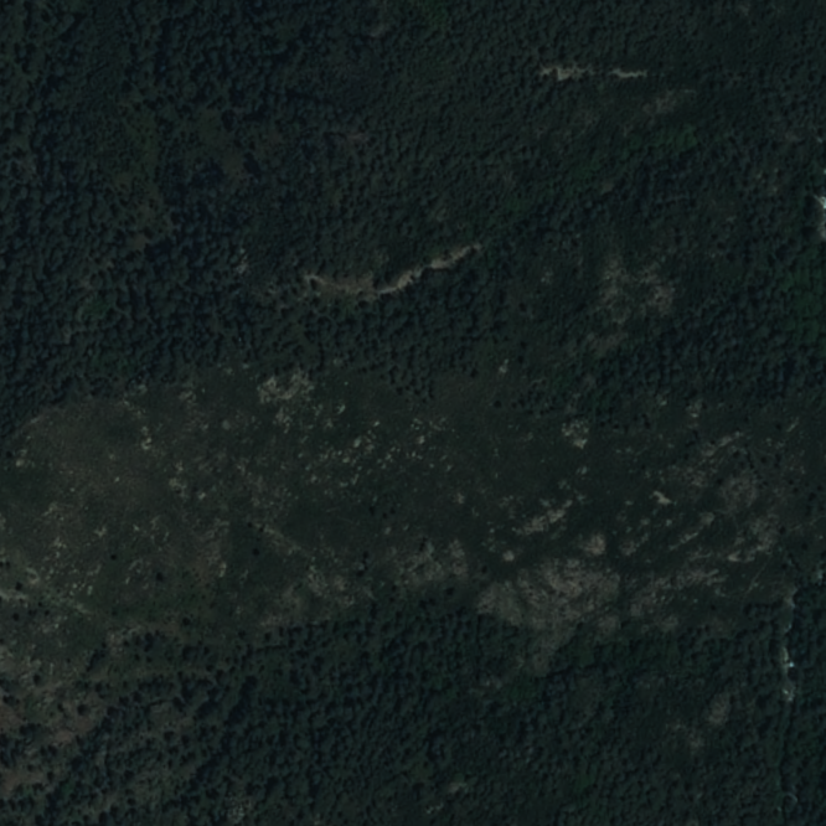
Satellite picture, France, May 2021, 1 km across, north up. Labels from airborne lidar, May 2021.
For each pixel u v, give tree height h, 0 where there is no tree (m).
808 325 21
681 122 6
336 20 35
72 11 11
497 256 8
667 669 7
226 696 36
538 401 19
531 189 25
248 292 10
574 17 25
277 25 36
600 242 8
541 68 20
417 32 19
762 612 27
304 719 32
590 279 8
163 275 29
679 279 27
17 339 15
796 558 30
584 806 18
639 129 13
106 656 30
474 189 20
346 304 10
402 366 24
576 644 12
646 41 18
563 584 0
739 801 28
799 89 25
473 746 11
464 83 19
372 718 16
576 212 26
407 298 8
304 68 7
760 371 12
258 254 9
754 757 26
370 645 33
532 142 7
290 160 9
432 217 30
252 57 18
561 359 7
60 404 21
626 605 6
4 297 43
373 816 21
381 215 25
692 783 6
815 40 18
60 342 13
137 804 27
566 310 8
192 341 21
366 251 18
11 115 19
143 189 11
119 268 13
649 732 9
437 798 11
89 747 19
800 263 21
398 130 10
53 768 9
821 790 17
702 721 12
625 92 13
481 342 35
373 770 24
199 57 25
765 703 25
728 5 15
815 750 17
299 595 0
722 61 18
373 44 23
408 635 30
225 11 37
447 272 20
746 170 23
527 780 17
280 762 28
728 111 14
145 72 31
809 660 25
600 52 24
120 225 22
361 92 10
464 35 21
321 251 24
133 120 13
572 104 6
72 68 36
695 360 6
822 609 10
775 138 22
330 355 23
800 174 15
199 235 32
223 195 35
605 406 10
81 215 32
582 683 13
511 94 21
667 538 5
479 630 24
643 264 7
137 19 22
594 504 6
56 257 32
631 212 8
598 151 25
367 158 27
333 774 31
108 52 10
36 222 33
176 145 9
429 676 28
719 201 7
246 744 30
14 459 26
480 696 7
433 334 29
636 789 29
